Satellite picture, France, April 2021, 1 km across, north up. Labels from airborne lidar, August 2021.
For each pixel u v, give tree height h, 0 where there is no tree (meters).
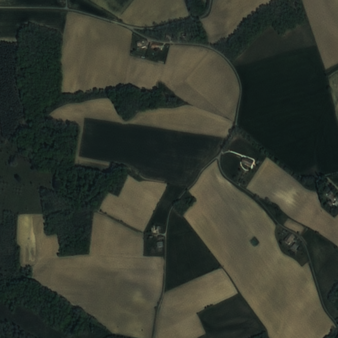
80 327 19
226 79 0
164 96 14
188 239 0
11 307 16
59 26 0
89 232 17
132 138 0
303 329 0
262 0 0
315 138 0
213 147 0
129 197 0
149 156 0
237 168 0
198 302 0
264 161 0
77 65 0
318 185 21
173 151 0
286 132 0
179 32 16
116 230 0
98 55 0
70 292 0
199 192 0
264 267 0
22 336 16
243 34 15
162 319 0
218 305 0
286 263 0
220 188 0
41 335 0
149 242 0
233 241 0
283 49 0
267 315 0
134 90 29
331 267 0
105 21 0
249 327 0
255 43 0
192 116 0
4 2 0
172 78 0
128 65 0
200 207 0
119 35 0
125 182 13
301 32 0
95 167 0
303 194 0
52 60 25
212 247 0
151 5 0
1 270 16
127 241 0
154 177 0
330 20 0
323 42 0
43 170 20
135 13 0
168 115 0
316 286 0
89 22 0
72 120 0
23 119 18
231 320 0
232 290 0
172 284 0
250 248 0
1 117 13
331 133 0
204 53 0
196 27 18
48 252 0
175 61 0
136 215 0
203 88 0
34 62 24
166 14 0
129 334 0
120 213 0
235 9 0
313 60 0
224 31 0
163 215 0
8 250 6
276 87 0
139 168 0
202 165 0
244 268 0
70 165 16
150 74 0
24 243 0
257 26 18
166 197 0
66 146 25
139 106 20
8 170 0
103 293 0
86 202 19
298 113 0
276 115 0
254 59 0
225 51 17
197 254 0
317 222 0
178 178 0
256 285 0
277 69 0
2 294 25
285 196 0
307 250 0
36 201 0
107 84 0
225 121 0
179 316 0
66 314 21
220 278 0
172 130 0
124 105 22
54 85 23
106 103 0
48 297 23
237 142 0
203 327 0
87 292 0
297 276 0
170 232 0
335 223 0
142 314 0
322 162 0
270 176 0
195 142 0
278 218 0
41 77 22
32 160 18
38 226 0
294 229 0
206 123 0
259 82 0
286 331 0
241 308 0
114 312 0
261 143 0
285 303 0
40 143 23
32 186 9
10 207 0
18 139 23
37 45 21
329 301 6
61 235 18
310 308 0
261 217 0
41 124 22
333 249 0
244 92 0
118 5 0
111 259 0
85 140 0
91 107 0
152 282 0
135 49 7
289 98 0
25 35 18
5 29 0
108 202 0
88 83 0
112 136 0
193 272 0
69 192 21
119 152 0
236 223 0
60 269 0
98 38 0
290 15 15
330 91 13
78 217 17
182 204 17
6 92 18
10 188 0
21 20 0
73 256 8
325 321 0
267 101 0
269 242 0
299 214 0
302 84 0
